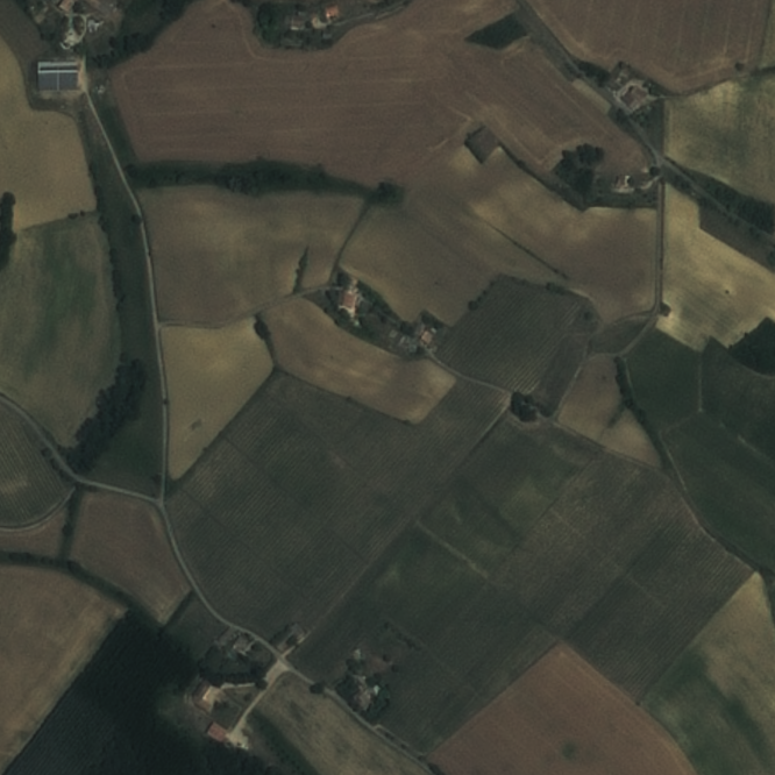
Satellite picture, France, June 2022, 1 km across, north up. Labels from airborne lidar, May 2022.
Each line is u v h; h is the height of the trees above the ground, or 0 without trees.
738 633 0
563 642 0
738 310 0
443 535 0
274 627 0
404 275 0
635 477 0
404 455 0
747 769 0
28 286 0
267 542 0
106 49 0
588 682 0
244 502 0
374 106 0
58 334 0
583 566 0
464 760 0
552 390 0
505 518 0
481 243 0
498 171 0
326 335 0
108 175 0
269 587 0
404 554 0
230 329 0
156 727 12
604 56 0
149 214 0
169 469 0
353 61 0
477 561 0
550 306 0
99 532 0
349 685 10
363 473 0
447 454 0
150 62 0
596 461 0
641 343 0
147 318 0
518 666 0
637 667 0
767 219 13
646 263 0
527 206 0
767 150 0
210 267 0
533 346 0
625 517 0
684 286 0
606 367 0
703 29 0
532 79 0
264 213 0
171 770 15
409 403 0
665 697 0
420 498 0
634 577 0
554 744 0
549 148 0
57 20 6
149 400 0
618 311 0
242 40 0
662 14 0
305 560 0
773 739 0
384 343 0
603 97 0
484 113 0
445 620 0
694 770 0
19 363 0
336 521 0
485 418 0
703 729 0
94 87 0
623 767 0
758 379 0
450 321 0
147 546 0
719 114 0
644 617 0
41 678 0
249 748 0
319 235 0
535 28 0
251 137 0
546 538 0
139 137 0
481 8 0
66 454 14
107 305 0
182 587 0
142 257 0
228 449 0
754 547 0
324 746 0
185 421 0
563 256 0
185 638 0
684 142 0
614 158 0
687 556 0
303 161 0
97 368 0
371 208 0
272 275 0
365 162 0
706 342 0
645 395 0
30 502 0
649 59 0
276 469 0
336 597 0
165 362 0
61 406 0
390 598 0
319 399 0
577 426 0
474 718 0
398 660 0
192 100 0
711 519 0
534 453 0
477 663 0
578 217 0
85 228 0
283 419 0
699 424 0
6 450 0
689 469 0
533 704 0
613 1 0
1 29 0
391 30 0
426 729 0
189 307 0
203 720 0
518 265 0
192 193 0
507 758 0
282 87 0
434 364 0
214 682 27
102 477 0
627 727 0
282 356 0
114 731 11
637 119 6
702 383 0
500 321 0
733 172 0
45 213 0
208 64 0
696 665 0
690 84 0
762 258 0
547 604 0
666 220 0
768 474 0
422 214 0
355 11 0
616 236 0
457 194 0
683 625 0
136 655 15
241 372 0
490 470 0
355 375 0
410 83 0
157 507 0
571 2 0
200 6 0
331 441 0
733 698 0
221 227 0
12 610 0
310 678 0
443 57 0
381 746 0
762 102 0
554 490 0
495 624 0
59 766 13
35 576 0
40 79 0
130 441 0
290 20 0
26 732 0
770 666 0
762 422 0
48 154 0
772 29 0
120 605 0
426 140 0
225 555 0
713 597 0
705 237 0
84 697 13
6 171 0
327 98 0
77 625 0
